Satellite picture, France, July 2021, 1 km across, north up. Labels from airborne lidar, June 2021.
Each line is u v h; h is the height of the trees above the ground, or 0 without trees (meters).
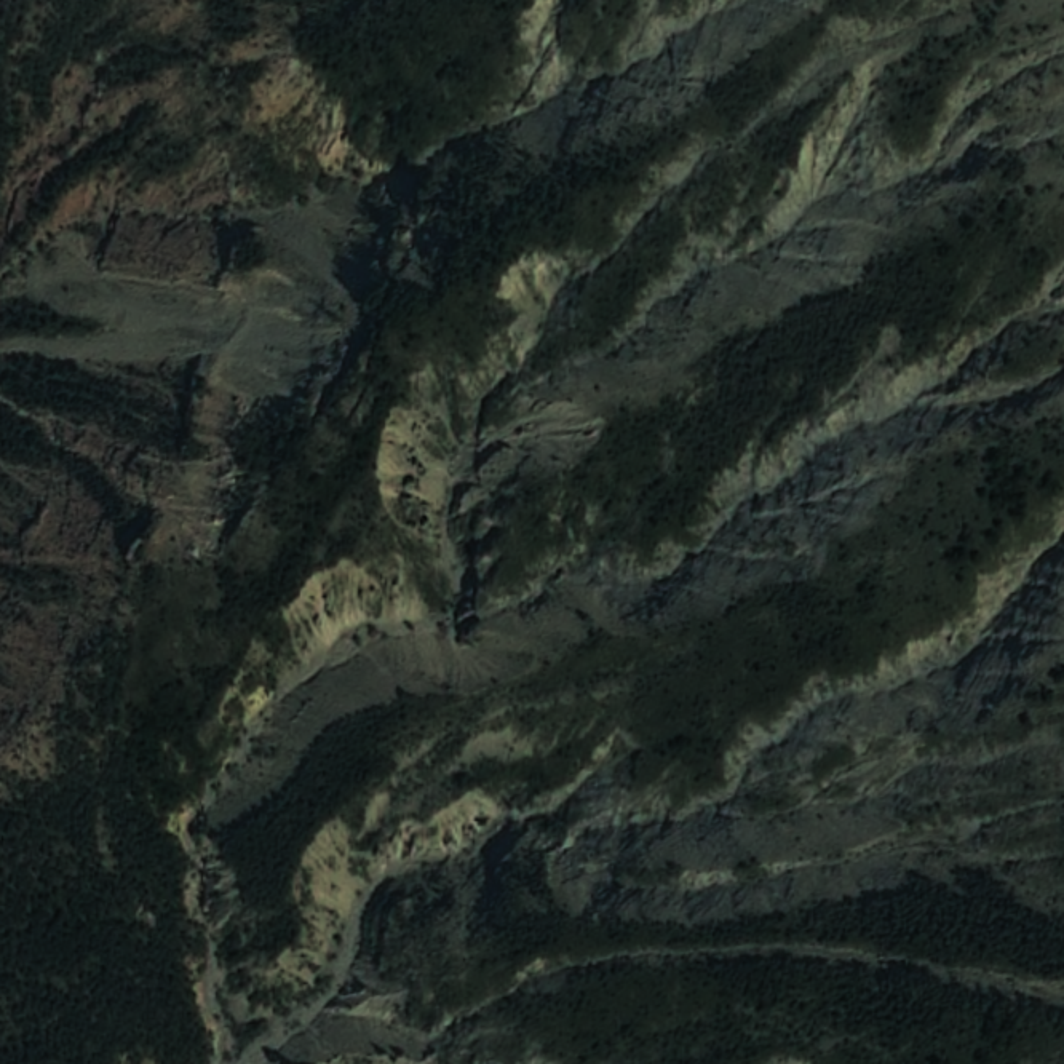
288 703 0
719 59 0
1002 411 0
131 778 7
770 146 8
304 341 0
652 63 0
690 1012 0
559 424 0
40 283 0
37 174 0
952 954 8
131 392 10
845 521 0
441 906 7
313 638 0
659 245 8
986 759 0
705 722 7
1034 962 8
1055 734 0
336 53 7
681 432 6
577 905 0
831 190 0
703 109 0
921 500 0
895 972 9
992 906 9
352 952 0
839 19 0
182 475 0
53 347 0
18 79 8
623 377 0
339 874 0
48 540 0
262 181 6
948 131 0
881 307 9
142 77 13
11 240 8
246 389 0
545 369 6
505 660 0
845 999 7
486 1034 0
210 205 0
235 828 7
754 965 10
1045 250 7
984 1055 12
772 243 0
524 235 13
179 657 0
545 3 0
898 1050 6
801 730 0
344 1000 0
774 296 0
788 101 0
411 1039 0
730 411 8
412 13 7
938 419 0
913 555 0
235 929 6
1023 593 0
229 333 0
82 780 7
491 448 0
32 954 11
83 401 8
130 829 11
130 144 17
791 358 8
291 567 10
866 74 0
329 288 0
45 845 10
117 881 9
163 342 0
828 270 0
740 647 0
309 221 0
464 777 13
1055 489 13
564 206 10
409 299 20
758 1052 6
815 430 0
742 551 0
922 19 0
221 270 0
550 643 0
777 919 7
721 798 0
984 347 0
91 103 0
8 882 7
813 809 0
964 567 5
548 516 6
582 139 0
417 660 0
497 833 0
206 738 0
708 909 0
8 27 9
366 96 14
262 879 12
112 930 14
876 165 0
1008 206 10
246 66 7
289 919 8
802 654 6
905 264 10
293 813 13
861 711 0
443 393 6
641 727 0
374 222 9
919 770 0
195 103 0
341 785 10
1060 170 0
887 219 0
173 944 11
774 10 0
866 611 8
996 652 0
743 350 9
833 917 8
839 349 7
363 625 0
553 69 0
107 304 0
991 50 0
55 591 7
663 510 6
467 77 8
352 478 8
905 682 0
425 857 0
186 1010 13
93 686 8
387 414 10
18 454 6
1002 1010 7
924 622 0
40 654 0
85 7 8
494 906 7
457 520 6
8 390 5
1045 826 0
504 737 0
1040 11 0
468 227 11
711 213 8
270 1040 0
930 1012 11
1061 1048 0
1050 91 0
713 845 0
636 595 0
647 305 0
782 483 0
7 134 11
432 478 0
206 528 0
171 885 8
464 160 15
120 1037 11
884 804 0
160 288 0
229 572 8
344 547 6
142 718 8
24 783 8
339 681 0
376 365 8
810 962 10
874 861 0
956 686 0
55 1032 10
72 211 0
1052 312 0
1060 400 0
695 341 0
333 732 6
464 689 0
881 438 0
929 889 8
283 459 9
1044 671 0
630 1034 9
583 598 0
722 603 0
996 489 9
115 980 14
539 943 10
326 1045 0
